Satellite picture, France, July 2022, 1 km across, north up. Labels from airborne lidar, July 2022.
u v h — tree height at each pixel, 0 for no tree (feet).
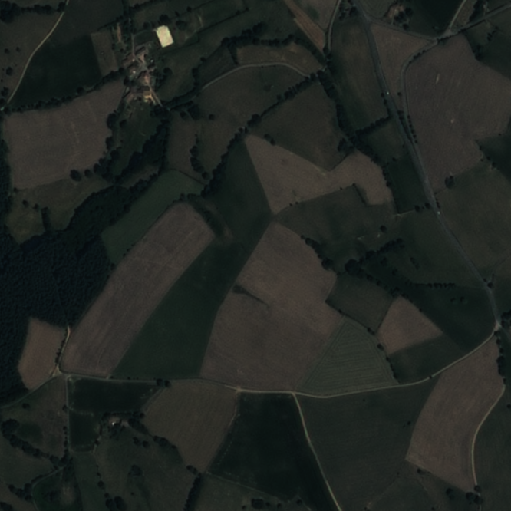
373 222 0
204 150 0
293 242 0
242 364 0
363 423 0
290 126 0
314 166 0
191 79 0
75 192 0
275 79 0
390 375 0
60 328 33
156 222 0
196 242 0
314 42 0
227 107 0
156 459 0
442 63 0
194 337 0
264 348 0
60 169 0
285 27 0
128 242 0
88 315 0
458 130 0
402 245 35
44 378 0
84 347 0
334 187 0
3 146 47
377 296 0
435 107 0
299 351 0
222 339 0
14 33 0
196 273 0
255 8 0
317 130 0
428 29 0
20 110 39
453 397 0
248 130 32
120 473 0
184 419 0
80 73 0
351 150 29
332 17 0
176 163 0
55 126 0
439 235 0
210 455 0
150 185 40
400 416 0
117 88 0
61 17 0
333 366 0
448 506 0
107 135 0
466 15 0
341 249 0
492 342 0
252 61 0
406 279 25
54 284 92
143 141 0
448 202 0
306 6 0
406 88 0
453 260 0
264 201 0
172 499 0
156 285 0
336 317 0
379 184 0
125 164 0
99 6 0
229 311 0
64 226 0
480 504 39
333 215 0
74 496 0
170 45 0
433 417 0
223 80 0
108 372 0
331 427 0
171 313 0
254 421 0
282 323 0
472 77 0
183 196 47
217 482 0
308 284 0
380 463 0
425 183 0
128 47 20
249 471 0
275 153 0
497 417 0
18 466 0
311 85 42
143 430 59
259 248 0
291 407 0
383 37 0
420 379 0
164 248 0
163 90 0
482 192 0
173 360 0
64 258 90
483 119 0
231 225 0
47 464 0
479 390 0
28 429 0
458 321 0
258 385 0
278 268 0
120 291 0
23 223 0
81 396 0
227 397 0
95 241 66
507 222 0
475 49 23
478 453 0
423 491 0
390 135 0
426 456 0
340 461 0
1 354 103
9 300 94
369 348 0
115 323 0
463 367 0
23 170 0
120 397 0
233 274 0
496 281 0
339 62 0
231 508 0
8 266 92
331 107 0
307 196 0
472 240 0
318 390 0
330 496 0
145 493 0
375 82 0
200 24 0
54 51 0
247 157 0
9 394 41
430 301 0
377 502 0
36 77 0
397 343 0
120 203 28
